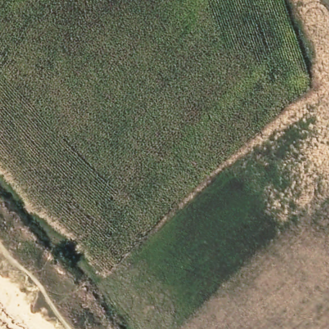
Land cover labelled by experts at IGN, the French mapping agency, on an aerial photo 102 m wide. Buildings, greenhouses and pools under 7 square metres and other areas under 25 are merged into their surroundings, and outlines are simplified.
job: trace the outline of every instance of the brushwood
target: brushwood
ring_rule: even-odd
[[[53,254],[55,263],[62,266],[64,271],[75,275],[75,284],[80,285],[85,281],[86,292],[93,294],[98,305],[103,307],[107,319],[111,321],[111,329],[130,329],[127,324],[129,314],[121,315],[120,308],[107,305],[107,299],[99,296],[98,284],[102,276],[95,274],[93,266],[89,265],[84,254],[77,253],[73,240],[66,238],[59,244],[50,242],[44,227],[40,226],[41,217],[28,213],[19,195],[15,191],[10,193],[0,182],[0,198],[4,199],[5,207],[9,211],[18,213],[23,226],[27,226],[39,243]]]

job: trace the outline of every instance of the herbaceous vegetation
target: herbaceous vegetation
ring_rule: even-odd
[[[261,145],[256,145],[253,152],[248,152],[230,164],[213,176],[206,188],[199,191],[184,208],[180,208],[175,217],[166,221],[161,230],[153,235],[143,248],[134,249],[130,257],[123,256],[121,263],[114,262],[113,257],[104,257],[102,262],[96,261],[93,266],[95,274],[102,276],[98,284],[99,296],[107,299],[107,305],[120,308],[121,315],[129,314],[127,324],[130,329],[186,329],[185,321],[193,319],[195,311],[203,306],[204,302],[217,296],[217,290],[222,283],[229,280],[243,266],[249,265],[254,254],[265,249],[271,239],[284,239],[290,226],[298,225],[294,209],[297,207],[297,199],[302,195],[299,190],[299,163],[307,158],[302,152],[301,145],[303,139],[317,136],[317,130],[310,129],[311,123],[316,123],[315,117],[307,118],[305,122],[299,120],[290,123],[287,129],[284,129],[284,135],[278,139],[278,149],[271,149],[270,144],[265,141]]]
[[[103,307],[98,305],[93,294],[86,292],[85,281],[80,285],[75,284],[75,275],[64,271],[62,266],[55,263],[53,254],[39,243],[27,226],[23,226],[18,213],[9,211],[5,207],[4,199],[0,198],[0,240],[15,260],[37,276],[60,314],[71,324],[71,329],[111,329],[111,321],[107,319]]]

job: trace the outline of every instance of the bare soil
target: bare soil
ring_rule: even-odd
[[[24,293],[19,290],[18,284],[10,283],[8,279],[0,276],[0,329],[50,329],[57,316],[46,303],[42,293],[39,292],[35,306],[30,306],[24,301]]]
[[[278,149],[278,139],[284,135],[284,129],[287,129],[290,123],[299,120],[305,122],[307,118],[315,117],[316,123],[311,123],[310,129],[317,130],[317,136],[303,139],[301,145],[302,152],[307,158],[299,163],[299,190],[302,195],[297,199],[297,207],[294,209],[298,225],[290,226],[284,239],[271,239],[265,249],[254,254],[249,265],[243,266],[229,280],[222,283],[217,290],[217,296],[204,302],[203,306],[195,311],[193,319],[185,321],[186,329],[329,329],[329,0],[292,0],[294,17],[302,21],[308,40],[314,42],[312,94],[289,105],[287,111],[267,125],[261,134],[230,156],[227,159],[227,163],[230,164],[248,152],[253,152],[256,145],[261,145],[265,141],[270,144],[271,149]]]

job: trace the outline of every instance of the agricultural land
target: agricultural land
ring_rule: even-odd
[[[130,257],[134,249],[143,248],[153,235],[161,230],[166,221],[175,217],[180,208],[184,208],[199,191],[206,188],[213,176],[230,164],[227,163],[227,159],[230,156],[261,134],[267,125],[287,111],[289,105],[312,94],[314,42],[308,40],[302,21],[294,17],[292,0],[0,0],[0,182],[10,193],[15,191],[19,195],[28,213],[41,217],[40,226],[44,227],[50,242],[59,244],[66,238],[73,240],[77,253],[84,254],[89,265],[93,266],[96,261],[102,262],[104,257],[113,257],[114,262],[121,263],[123,256]]]

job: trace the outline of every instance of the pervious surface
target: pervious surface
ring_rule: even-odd
[[[18,284],[19,290],[24,293],[24,301],[30,306],[35,306],[39,292],[42,293],[46,303],[57,316],[50,329],[71,329],[71,324],[60,314],[37,276],[15,260],[0,240],[0,276],[8,279],[10,283]]]

